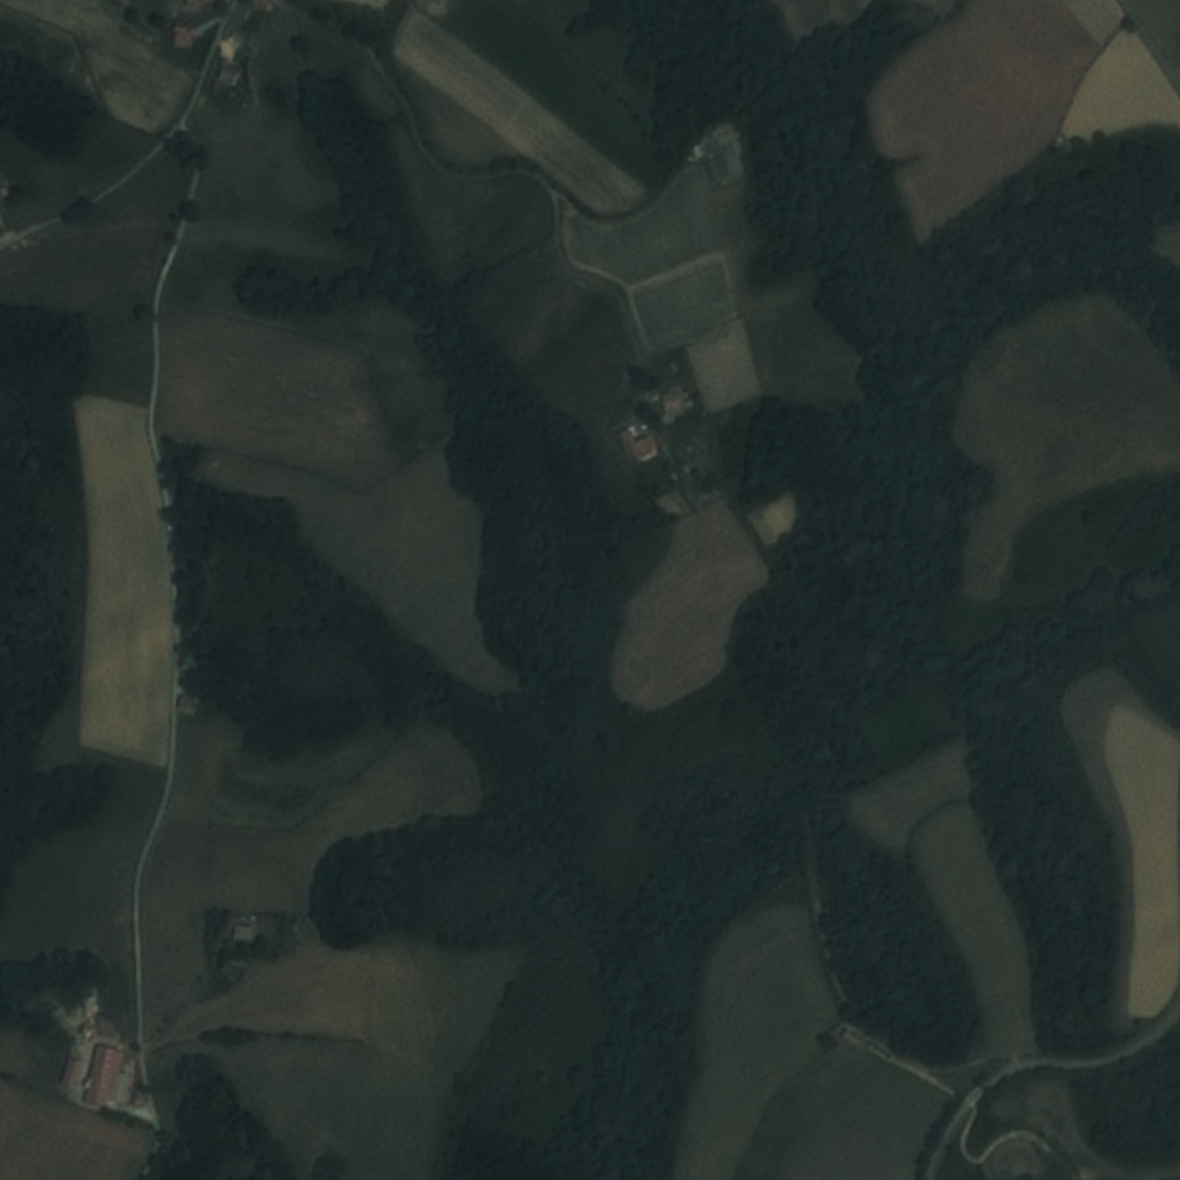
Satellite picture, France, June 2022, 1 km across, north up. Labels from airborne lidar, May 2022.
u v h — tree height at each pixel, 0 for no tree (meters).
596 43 0
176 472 9
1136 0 0
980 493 13
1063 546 0
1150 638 0
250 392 0
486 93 0
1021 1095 0
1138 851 0
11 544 23
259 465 0
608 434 0
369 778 0
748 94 15
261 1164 16
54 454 14
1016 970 0
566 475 13
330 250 0
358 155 19
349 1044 0
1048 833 18
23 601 29
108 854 0
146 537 0
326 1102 0
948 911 0
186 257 0
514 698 20
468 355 19
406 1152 0
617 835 0
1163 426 0
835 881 7
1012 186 11
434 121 0
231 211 0
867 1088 0
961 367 7
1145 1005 0
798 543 13
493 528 14
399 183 8
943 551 13
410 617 0
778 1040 0
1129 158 12
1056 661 9
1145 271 9
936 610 9
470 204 0
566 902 8
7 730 20
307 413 0
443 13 0
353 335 0
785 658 18
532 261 0
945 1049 9
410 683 18
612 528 14
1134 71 0
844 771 11
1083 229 8
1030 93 0
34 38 0
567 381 0
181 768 0
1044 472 0
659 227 0
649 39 18
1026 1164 0
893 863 6
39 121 23
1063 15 0
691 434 0
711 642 0
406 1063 0
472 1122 7
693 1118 0
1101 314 0
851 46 22
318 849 0
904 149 0
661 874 6
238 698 19
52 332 18
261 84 0
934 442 19
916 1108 0
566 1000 0
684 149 0
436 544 0
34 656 27
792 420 22
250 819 0
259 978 0
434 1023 0
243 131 0
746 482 13
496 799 11
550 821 9
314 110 21
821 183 24
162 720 0
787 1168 0
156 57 0
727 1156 0
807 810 14
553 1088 0
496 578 20
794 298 0
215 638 7
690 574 0
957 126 0
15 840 19
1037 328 0
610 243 0
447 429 0
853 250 21
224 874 0
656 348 0
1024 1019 0
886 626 20
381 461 0
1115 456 0
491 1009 0
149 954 0
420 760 0
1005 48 0
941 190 0
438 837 16
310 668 5
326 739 15
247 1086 0
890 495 27
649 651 0
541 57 0
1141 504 8
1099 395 0
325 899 21
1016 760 10
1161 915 0
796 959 0
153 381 0
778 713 6
